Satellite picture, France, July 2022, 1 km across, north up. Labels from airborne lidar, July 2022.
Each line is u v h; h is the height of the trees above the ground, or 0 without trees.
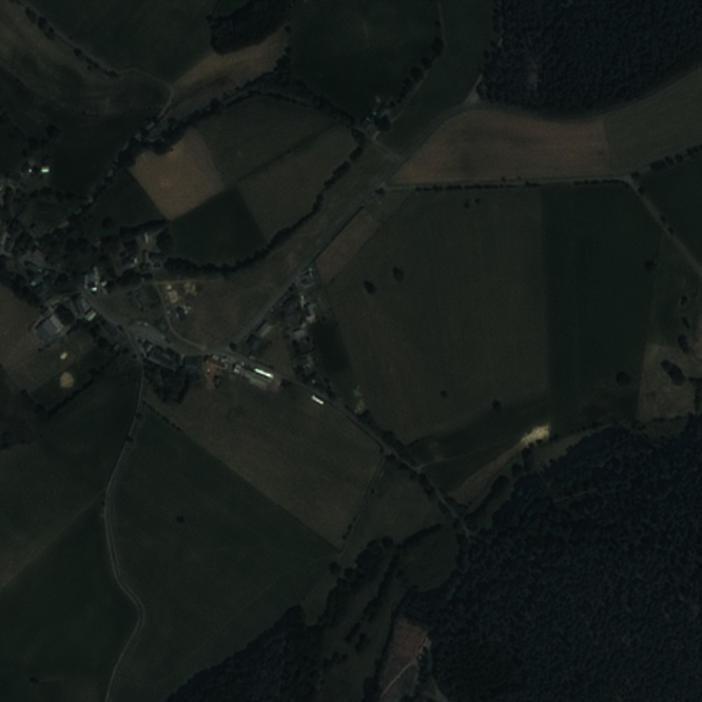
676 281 0
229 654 0
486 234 0
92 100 0
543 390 0
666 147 0
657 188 0
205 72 0
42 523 0
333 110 15
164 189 0
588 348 0
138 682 0
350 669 0
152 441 0
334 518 0
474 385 0
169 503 0
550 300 0
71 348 0
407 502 0
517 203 0
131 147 13
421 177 0
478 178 0
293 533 0
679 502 36
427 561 0
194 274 14
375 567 28
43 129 0
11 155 0
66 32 0
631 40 21
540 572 24
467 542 20
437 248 0
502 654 10
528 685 25
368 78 0
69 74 0
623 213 0
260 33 26
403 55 0
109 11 0
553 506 34
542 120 0
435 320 0
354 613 0
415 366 0
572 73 21
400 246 0
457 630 24
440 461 0
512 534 23
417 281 0
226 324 0
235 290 0
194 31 0
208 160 0
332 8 0
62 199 16
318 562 0
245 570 0
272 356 0
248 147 0
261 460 0
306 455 0
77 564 0
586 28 11
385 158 0
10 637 0
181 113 0
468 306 0
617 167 0
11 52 0
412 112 0
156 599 0
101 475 0
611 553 23
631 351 0
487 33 0
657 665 18
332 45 0
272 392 0
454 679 20
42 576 0
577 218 0
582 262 0
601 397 0
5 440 7
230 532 0
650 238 0
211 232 0
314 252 0
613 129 0
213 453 0
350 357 0
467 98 0
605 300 0
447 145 0
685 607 24
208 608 0
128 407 0
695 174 0
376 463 0
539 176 0
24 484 0
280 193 0
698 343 0
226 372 0
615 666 24
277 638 22
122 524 0
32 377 0
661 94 0
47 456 0
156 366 15
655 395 0
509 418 0
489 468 0
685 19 17
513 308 0
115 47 0
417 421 0
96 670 0
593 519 10
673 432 0
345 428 0
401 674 0
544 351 0
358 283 0
